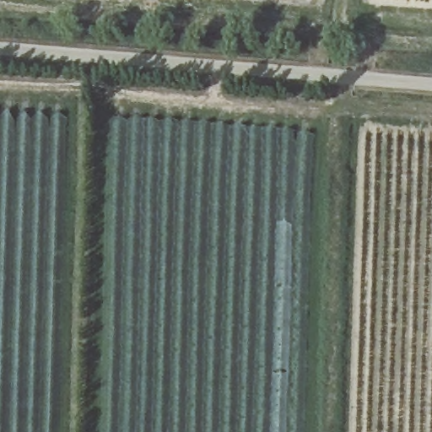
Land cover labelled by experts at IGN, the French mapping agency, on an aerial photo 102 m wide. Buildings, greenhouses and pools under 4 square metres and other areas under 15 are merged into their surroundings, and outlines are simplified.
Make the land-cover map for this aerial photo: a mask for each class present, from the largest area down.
<instances>
[{"label":"vineyard","instance_id":"1","mask_svg":"<svg viewBox=\"0 0 432 432\"><path fill-rule=\"evenodd\" d=\"M260 3L275 2L283 5L282 20L285 27L294 29L300 17L309 20L312 27H322L331 20L346 24L351 20L356 19L361 13H370L378 5L432 8V0H246ZM121 89L110 76L98 79L94 88L89 89L91 133L86 138V214L83 233L86 256L81 289V316L86 319V326L81 327L79 331V337H83L86 343L81 346L78 432H432V127L425 128L424 135H418L417 127L381 125L373 121L364 123L363 118L351 116H341L339 121H331L324 116L312 118L262 111L228 113L196 106L179 111L177 106L164 108L162 105L142 101L115 100V93ZM316 130L327 132L326 162L317 169ZM69 111L61 110V115H52V108H44V103H39L37 108L29 106L27 113H19V106H12L10 113H0V432H59L62 238L66 204Z\"/></svg>","mask_w":432,"mask_h":432},{"label":"deciduous trees","instance_id":"2","mask_svg":"<svg viewBox=\"0 0 432 432\"><path fill-rule=\"evenodd\" d=\"M3 2L34 3L57 7L59 10L57 13H30L12 12L0 7V42L15 39L20 40L22 44L79 47L74 42V37L81 32V25L74 17V7L83 0H0V5ZM186 7L192 8V19L179 40V46H169L165 44L164 35L170 24L160 22L159 8L142 10V17L137 20L132 34H121V30L113 22V13L123 12L127 7H121L116 0H103L100 2L101 15L93 25H89L88 39L84 40L81 47L133 51L137 46H145L147 49H155L162 56L172 54L213 59L233 57L235 61H241V57L236 54L235 34H250L253 12L260 3L246 0H182ZM216 15L224 17L221 39L214 47L199 46V37L204 35L206 25ZM299 40L294 37V29L285 27L282 20L277 22L268 34L265 42L267 59L268 64H294L297 61ZM317 44L326 47L327 59H331L332 62L331 67H339L344 73L346 67L353 69L359 62L364 61L368 57L364 35L361 32H354L351 20L346 24L331 20L322 27L321 39ZM172 67H167L164 73H137L132 67L123 69L121 62H110L106 59L89 62L69 61L62 67L59 78L81 81V89L76 93L10 91L0 88V113H10L12 106H19V113H27L29 106L37 108L39 103H44V108H52V115H61V110L69 111L66 204L62 238L59 432H78L81 346L86 343L83 337H79V331L81 327L86 326V319L81 316V289L86 256L83 233L86 214V138L91 133L89 89L94 88L98 79L110 76L121 89H148L159 93L175 91L194 96H199L206 89L199 83L196 74H170ZM30 78L35 81H46L56 79L57 76L52 67L37 64L25 66L8 62L0 67V81ZM224 96L229 98L283 101L289 100L290 96L282 84L262 86L253 81H246L243 74H233L231 71L221 74L218 83ZM331 83V79L324 76L319 81L307 79L300 96L309 101L327 100L324 89ZM327 132L316 130L317 169L326 162Z\"/></svg>","mask_w":432,"mask_h":432},{"label":"herbaceous vegetation","instance_id":"3","mask_svg":"<svg viewBox=\"0 0 432 432\"><path fill-rule=\"evenodd\" d=\"M100 2L103 0H83L74 7V17L81 25V32L74 37V42L79 47H81L84 40L88 39L89 25H93L101 15ZM121 7H127L123 12L113 13V22L121 30V34H132L137 20L142 17V10L159 8L160 22L170 24L164 35L165 44L169 46H179V40L192 19V8L186 7L182 0H116ZM0 7L12 12L30 13H57L59 10L57 7L34 3L3 2L0 5ZM282 20L283 5L275 2L260 3L253 12L250 34H235L236 54L241 57V61H250L251 66L255 67L256 62L267 59L265 42L268 34L277 22ZM354 32H361L364 35L368 57L364 61L368 64V71L376 73L432 76V8L378 5L370 13H361L356 19L351 20ZM224 17L216 15L206 25L204 35L199 37V46L214 47L221 39ZM322 27H312L309 20L300 17L294 29V37L299 40L297 61L294 64L331 67L332 62L331 59H327L326 47L317 44L321 39ZM69 61L66 57L51 59L46 56L30 57L27 54L5 56L0 52V67L8 62L25 66L37 64L52 67L57 76L56 79L46 81H35L30 78L0 81V88L10 91L76 93L81 89V81L59 78L62 67ZM307 79L256 76L253 81L262 86L282 84L290 96L289 100L283 101L229 98L224 96L218 83L206 89L199 96H194L175 91L159 93L148 89H121L115 93V100L142 101L162 105L164 108L177 106L179 111L196 106L228 113L262 111L312 118L324 116L331 121H339L341 116H351L363 118L364 123L373 121L381 125L417 127L418 135H424L425 128L432 127V91L358 86L354 83L343 93L331 79V83L324 89L327 100L309 101L300 96Z\"/></svg>","mask_w":432,"mask_h":432},{"label":"impervious surface","instance_id":"4","mask_svg":"<svg viewBox=\"0 0 432 432\"><path fill-rule=\"evenodd\" d=\"M0 52L5 56L27 54L30 57L46 56L51 59L66 57L69 61L89 62L106 59L110 62H121L123 69L132 67L137 73H164L167 67H172L170 74H196L199 83L206 89L218 83L221 74L231 71L233 74H243L246 81H253L256 76L307 79L319 81L324 76L331 79L343 93L354 83L358 86L432 91V76L376 73L368 71V64L364 61L359 62L353 69L346 67L344 73L339 67H331L294 64H268L267 59L256 62L255 67L251 66L250 61H235L233 57L213 59L172 54L162 56L155 49H147L145 46H137L133 51L81 47H79L22 44L20 40L15 39L0 42Z\"/></svg>","mask_w":432,"mask_h":432}]
</instances>
